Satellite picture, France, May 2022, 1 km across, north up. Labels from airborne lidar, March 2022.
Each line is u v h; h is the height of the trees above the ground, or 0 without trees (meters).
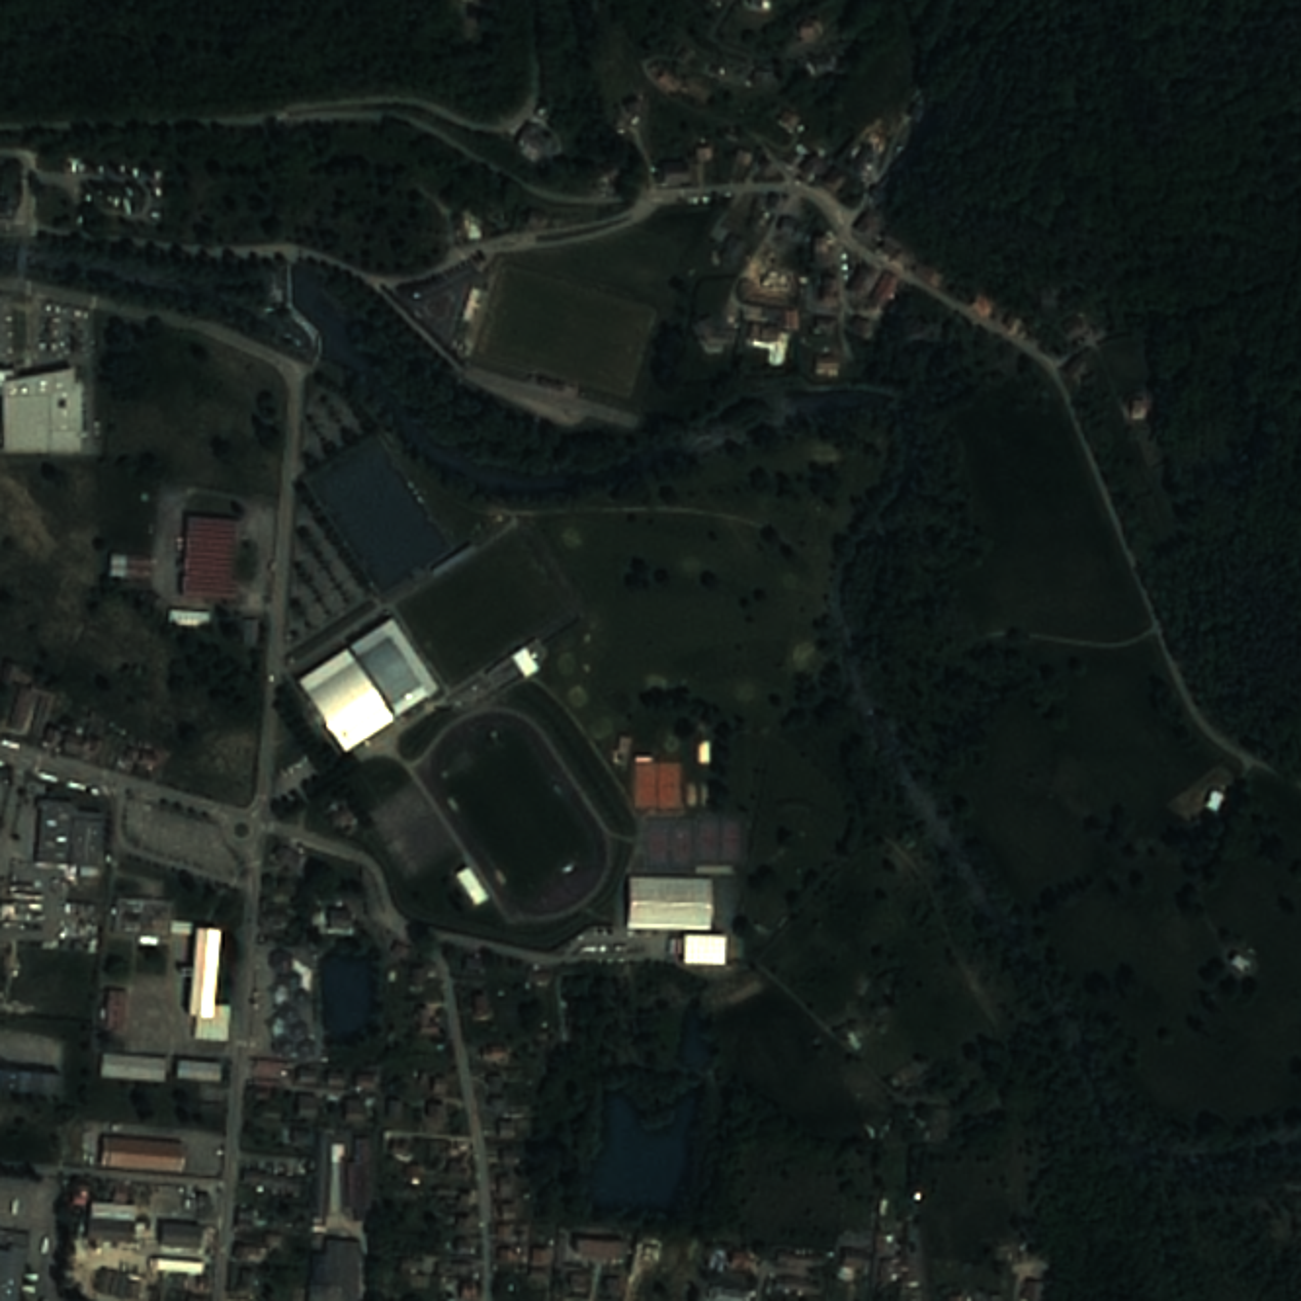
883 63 0
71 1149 0
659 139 0
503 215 0
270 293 11
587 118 9
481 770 0
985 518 0
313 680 0
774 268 0
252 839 0
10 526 0
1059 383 0
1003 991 0
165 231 8
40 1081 0
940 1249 0
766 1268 0
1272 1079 0
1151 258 22
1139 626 0
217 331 0
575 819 0
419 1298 5
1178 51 21
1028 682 19
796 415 0
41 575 0
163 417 0
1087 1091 16
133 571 0
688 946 0
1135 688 0
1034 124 19
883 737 0
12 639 0
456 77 17
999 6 19
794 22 7
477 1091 0
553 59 21
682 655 0
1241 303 22
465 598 0
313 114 0
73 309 0
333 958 0
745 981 0
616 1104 0
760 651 0
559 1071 9
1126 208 19
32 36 33
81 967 0
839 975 0
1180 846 22
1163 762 0
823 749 0
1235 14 19
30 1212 0
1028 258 19
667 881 0
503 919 0
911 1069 0
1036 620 0
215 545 0
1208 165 25
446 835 0
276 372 0
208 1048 0
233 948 16
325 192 0
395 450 0
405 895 0
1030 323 10
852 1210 0
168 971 0
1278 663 24
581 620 0
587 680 0
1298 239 21
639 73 0
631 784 0
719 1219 10
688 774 0
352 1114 0
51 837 0
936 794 10
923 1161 5
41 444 0
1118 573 0
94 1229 0
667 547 0
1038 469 0
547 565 0
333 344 0
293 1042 0
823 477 17
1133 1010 0
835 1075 0
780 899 0
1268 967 0
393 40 18
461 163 14
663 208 0
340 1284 0
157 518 0
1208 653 24
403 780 0
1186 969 0
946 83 19
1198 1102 0
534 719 0
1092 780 0
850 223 0
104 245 9
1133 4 20
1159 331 20
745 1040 0
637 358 0
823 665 0
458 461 0
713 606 0
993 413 0
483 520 0
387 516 0
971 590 0
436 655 0
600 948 0
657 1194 0
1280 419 28
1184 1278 15
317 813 0
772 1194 0
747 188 0
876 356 9
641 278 0
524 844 0
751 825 0
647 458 0
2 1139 0
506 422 23
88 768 0
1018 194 20
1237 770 0
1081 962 0
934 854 0
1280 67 16
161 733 0
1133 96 20
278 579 0
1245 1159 18
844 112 0
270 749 0
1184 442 18
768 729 0
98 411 0
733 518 0
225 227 0
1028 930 11
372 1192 0
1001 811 0
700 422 8
